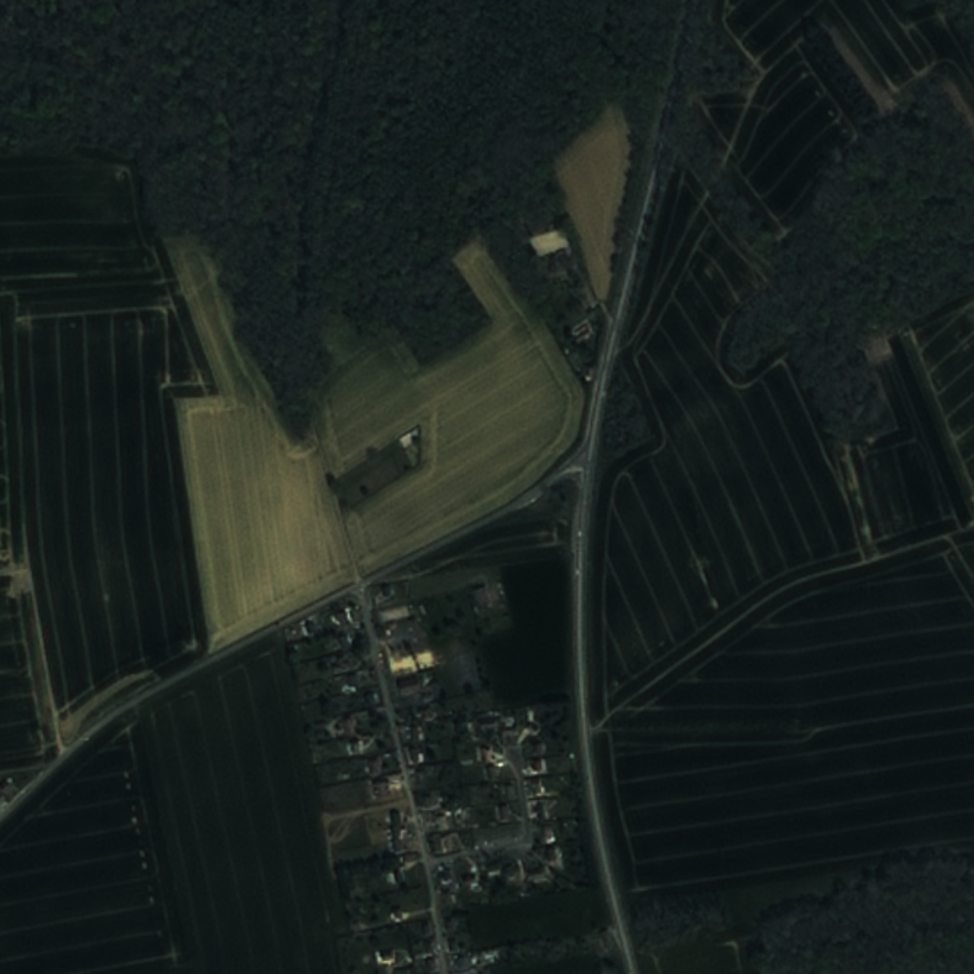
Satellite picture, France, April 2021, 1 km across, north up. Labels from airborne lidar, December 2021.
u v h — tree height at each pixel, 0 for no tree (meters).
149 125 20
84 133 8
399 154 18
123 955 0
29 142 18
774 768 0
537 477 0
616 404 9
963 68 0
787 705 0
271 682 0
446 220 12
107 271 0
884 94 0
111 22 26
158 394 0
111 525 0
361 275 21
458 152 18
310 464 0
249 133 12
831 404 27
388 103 12
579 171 0
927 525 0
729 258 0
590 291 9
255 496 0
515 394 0
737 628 0
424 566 0
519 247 22
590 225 0
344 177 17
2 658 0
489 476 0
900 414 0
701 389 0
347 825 0
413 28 18
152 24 26
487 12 21
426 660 0
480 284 0
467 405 0
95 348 0
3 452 0
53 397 0
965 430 0
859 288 28
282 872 0
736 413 0
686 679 0
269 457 0
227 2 19
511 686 0
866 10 0
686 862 0
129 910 0
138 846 0
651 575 0
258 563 0
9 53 20
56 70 21
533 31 18
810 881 0
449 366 0
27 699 0
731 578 0
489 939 0
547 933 0
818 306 25
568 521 0
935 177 27
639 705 0
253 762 0
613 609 0
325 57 17
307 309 23
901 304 26
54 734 0
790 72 0
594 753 0
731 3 0
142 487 0
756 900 0
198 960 0
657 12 18
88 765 0
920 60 0
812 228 12
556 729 6
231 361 0
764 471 0
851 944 26
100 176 0
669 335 0
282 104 24
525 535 0
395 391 0
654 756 0
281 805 0
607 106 18
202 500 0
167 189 23
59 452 0
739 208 20
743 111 0
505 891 17
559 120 17
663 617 0
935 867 20
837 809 0
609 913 0
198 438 0
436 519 0
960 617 0
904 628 0
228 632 0
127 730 0
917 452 0
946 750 0
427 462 0
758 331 27
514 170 26
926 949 27
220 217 29
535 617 0
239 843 0
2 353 0
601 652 0
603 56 26
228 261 24
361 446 0
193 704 0
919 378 0
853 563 0
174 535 0
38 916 0
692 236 0
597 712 0
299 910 0
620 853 0
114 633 0
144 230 0
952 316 0
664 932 22
